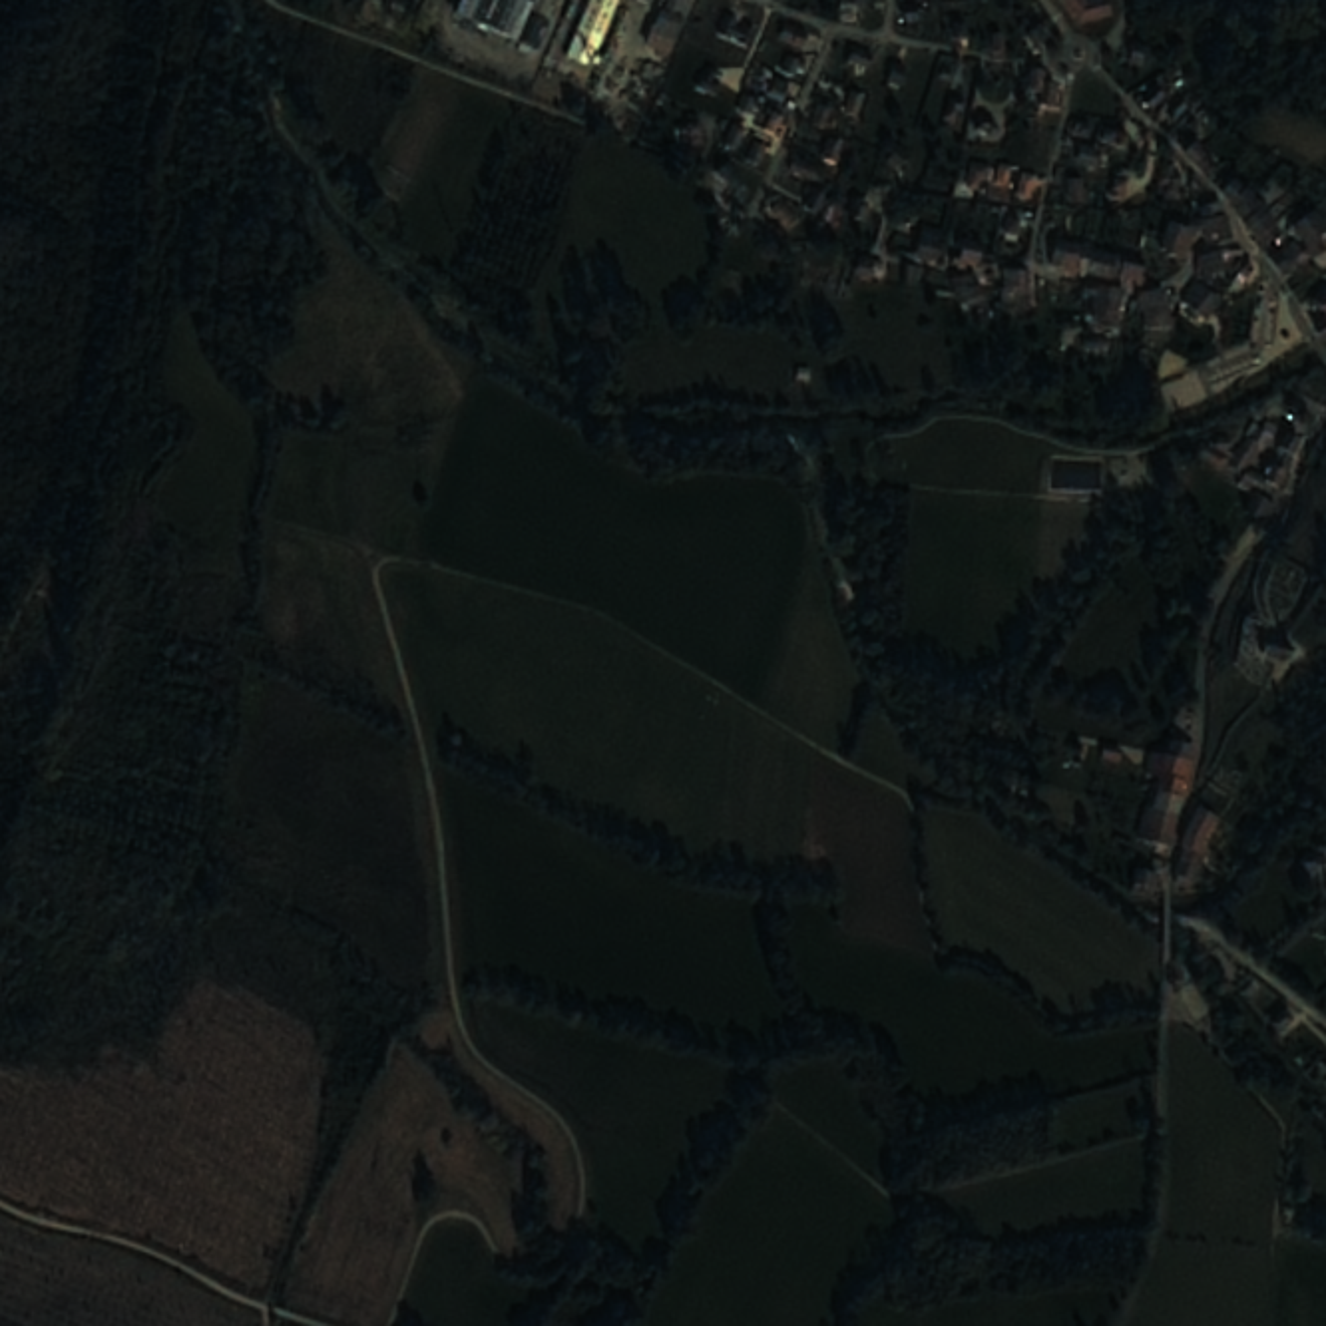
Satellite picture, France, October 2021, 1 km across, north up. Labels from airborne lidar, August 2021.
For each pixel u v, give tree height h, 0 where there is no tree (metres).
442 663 0
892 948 0
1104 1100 0
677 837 0
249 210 7
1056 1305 0
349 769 0
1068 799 0
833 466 14
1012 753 7
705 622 0
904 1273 26
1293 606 0
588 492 0
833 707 0
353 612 0
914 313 0
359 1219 0
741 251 0
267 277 9
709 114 0
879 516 15
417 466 0
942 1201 0
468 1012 0
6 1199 0
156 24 20
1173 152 7
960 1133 19
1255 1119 0
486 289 7
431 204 0
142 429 7
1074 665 0
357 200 15
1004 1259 9
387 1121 0
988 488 0
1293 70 25
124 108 21
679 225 0
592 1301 8
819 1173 0
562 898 0
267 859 0
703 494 0
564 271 0
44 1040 20
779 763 0
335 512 0
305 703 0
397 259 0
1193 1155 0
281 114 0
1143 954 0
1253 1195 0
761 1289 0
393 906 0
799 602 0
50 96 15
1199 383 0
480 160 0
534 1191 16
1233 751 0
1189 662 0
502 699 0
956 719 31
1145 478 0
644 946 0
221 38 20
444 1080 11
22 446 14
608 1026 15
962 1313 0
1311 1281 0
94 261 20
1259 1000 0
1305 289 0
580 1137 0
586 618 0
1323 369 8
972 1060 0
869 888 0
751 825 0
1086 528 0
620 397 14
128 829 14
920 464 0
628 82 0
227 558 0
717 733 0
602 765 0
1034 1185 0
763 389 0
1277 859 13
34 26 12
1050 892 0
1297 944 0
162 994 16
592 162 0
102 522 11
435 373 0
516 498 0
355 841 0
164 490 0
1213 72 27
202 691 6
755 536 0
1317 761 23
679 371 0
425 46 11
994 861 0
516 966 0
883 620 9
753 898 17
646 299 0
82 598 21
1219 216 0
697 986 0
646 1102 0
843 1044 20
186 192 6
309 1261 0
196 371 0
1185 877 0
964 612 0
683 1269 0
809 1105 0
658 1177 0
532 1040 0
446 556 0
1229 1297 0
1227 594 0
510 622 0
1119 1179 0
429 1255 0
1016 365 24
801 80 0
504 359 0
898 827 0
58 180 7
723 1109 0
